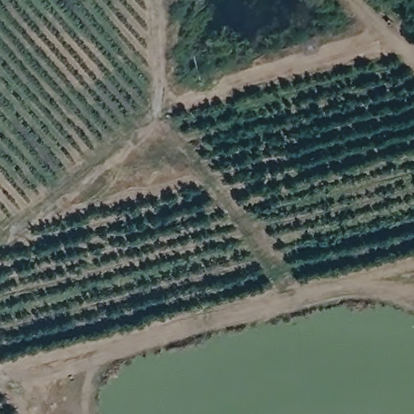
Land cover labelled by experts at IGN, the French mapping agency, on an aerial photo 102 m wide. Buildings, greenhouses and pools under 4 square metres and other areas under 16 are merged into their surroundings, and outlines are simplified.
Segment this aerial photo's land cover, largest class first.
<instances>
[{"label":"deciduous trees","instance_id":"1","mask_svg":"<svg viewBox=\"0 0 414 414\"><path fill-rule=\"evenodd\" d=\"M49 11L58 23L65 27V31L73 37L74 42L86 52L87 57L99 66L103 73L102 79L95 76L94 71L84 63L78 52L60 36L57 27L45 16ZM133 15L121 5L120 0H0V171L21 197L26 196L31 189H37L40 184H44L45 188H53L57 186L58 178L57 173L52 170L63 167L57 154L61 152L73 160L66 147L68 144L76 146V141L66 133L65 128L71 126L84 144L92 149V146L99 147L103 134L112 133L118 126L125 131L146 128L149 123L144 116L152 112L150 76L146 73L149 70V63L115 26L116 21L120 19L126 29L139 40V44L147 47V40L129 24L128 18ZM45 26L49 27L53 36L57 37L60 44L71 53V57L78 61L82 70L89 74L94 84L89 86L78 70H74L70 61L66 60L65 55H61L52 40L40 31ZM32 31L44 40V44L60 58L66 70L78 79L82 86L81 91L74 89L60 68L31 39L29 34ZM81 31L102 52L103 57L112 63L115 70L108 71L102 61L79 39L78 34ZM307 6H315L317 10V19L312 21L309 29L298 32L288 27L285 31L268 36L267 39L264 36H256L249 42L241 32H234L230 27H222V31L210 29L207 24L212 21L213 11L204 8V0H165L163 5L168 8V19L180 21V32L178 42L171 49L165 50V58L175 60L176 84H181L188 91H209L213 81H220L226 74L247 70L252 65L257 58H265L270 52L277 53L278 50L288 49L291 45L302 44L323 32L333 36L344 34L356 18L346 16L340 0H299ZM387 23L391 31L396 34L401 32V36L406 32H414V0H364ZM351 71L348 73L336 74L332 78L317 81L301 82L293 86L298 95L294 99L283 97L285 112L281 115L257 118L254 110L238 112L234 103L222 99L220 105L207 110L192 112L191 108H183L181 115L171 116L170 123L171 129L181 133H189L194 129H199L204 136L218 133L217 139L210 142L213 149L205 150L204 158H209V162H212V170L222 173L223 183H244L243 189L231 191L234 201H244L251 196L264 197V201L246 205L244 209L254 213L259 220L288 217L293 213L332 207L333 197H327L314 204L299 207L293 205L289 209L281 207L277 212L270 209V205L277 202L312 196L315 191L327 188L328 183L335 188L346 183L387 175L391 170L414 171V65H404L399 57L388 65L356 68V65L351 63ZM404 188L403 181L399 180L387 186H378L374 191L340 196L338 202L341 204L362 197L378 196L382 192L398 191ZM181 204L176 202V197L163 201L162 197L155 196L157 202L152 205L155 213H141V207L121 210L126 222H113L99 228H91L89 218H82L79 222H61L58 226H49L37 231L39 239L26 244V251L6 254V259H11L13 265L3 267V273H0V291L16 286L15 280H11L8 273L18 272V278L29 277L31 281L50 280L63 273H81L82 268H86V254L89 252H92L94 265L100 267L112 260L141 256L163 247L180 246L205 236L230 233L234 228L226 225L215 226L210 230V222L223 218L225 213L222 209H215L212 213H205V205L209 204L212 197L201 186L194 184L191 191H181ZM188 226H192L194 233L108 254H103L102 244H94L91 239L92 236L102 238L105 233L121 230L125 231L126 236L110 238L108 243L110 246H123L137 239L175 233ZM404 202L414 204V191L404 197H390L359 209H344L336 215L323 213L312 220H294L293 223L265 228L267 234L272 236L296 231L299 228H312L338 220H348L361 213L385 209L390 205ZM299 247L298 251L289 252L288 256L283 257L293 270L291 275L294 280L307 283L312 278L340 277L344 273L377 267L404 257L414 259V207L391 215L375 217L370 222L340 226L327 233L302 234L301 238L288 243L277 241L273 244V249L277 251H280L281 247ZM251 252L239 251L236 238L225 239L220 243L212 241L202 247H196L194 251L183 254L178 252L171 256L163 254L157 259L144 260L139 265H126L115 268L113 272L91 275L82 280H66L65 283L34 289L29 293L0 301V322L23 319L27 315V309H32V315L42 314L47 310L94 301L95 298L115 296L139 286L155 285L160 281L181 277L184 273L191 275L205 268L226 265V257L233 256L234 262L243 260ZM267 277L260 270V265L252 262L247 267L236 268L233 272L223 275H205L201 281L186 280L181 285L152 289L150 293L133 294L123 301L97 304L95 309L82 310L79 314L45 317L11 330L0 328V361H15L16 357L26 354L65 348L79 341L99 340L113 333L131 332L134 328H142L154 320H163L180 312H188L207 302L220 304L244 298L249 294L262 293L267 289Z\"/></svg>","mask_w":414,"mask_h":414},{"label":"herbaceous vegetation","instance_id":"2","mask_svg":"<svg viewBox=\"0 0 414 414\"><path fill-rule=\"evenodd\" d=\"M45 16L57 27L60 36L78 52L84 63L94 71L95 76L102 79L103 73L99 66L87 57L86 52L74 42L73 37L65 31V27L58 23L49 11ZM364 32V23L356 18L344 34L333 36L323 32L302 44L291 45L288 49L278 50L277 53L270 52L265 58H257L252 65H262L293 53L315 55L322 45L328 42L359 36ZM165 50L171 49L178 42L180 32V21L168 19L165 27ZM40 31L52 40L61 55H65L66 60L70 61L74 70H78L89 86L94 84L89 74L82 70L78 61L71 57V53L60 44L57 37L53 36L49 27L45 26ZM31 39L60 68L74 89L81 91L82 86L78 79L66 70L60 58L44 44V40L32 31L29 34ZM79 39L102 61L108 71L115 70L112 63L103 57L102 52L81 31L78 34ZM175 60L165 58V78L171 91L176 95L188 91L181 84H176ZM298 95L293 86L268 94H254L234 103L238 112L254 110L257 118L281 115L285 112L283 97L294 99ZM149 123L146 128L125 131L118 126L112 133L103 134L99 147L92 146V149L84 144L71 126L65 128L66 133L76 141V146L68 144L66 147L73 160L61 152L57 154L63 167L52 170L57 173L58 178L57 186L53 188H45L44 184H40L37 189H31L26 196L21 197L0 171V273H3V267L13 265L11 259H6V254L26 251V244L39 239L37 231L49 226H58L61 222H79L82 218H89L91 228H99L113 222H126L121 210L141 207V213H155L152 205L157 202L155 196L162 197L163 201L176 197V202L181 204V191H191L194 184L201 186L212 197L209 204L205 205V213H212L215 209H222L225 213L223 218L210 222V230L215 226L226 225L234 228L230 233L205 236L180 246L163 247L141 256L112 260L100 267L94 265L92 252H89L86 254V268H82L81 273H63L50 280L31 281L29 277L18 278V272L8 273L11 280H15L16 286L0 291V301L29 293L34 289L65 283L66 280H82L91 275L113 272L115 268L126 265H139L144 260L157 259L163 254L171 256L178 252L183 254L194 251L196 247H202L212 241L220 243L225 239L236 238L239 251L251 252L243 260L234 262L233 256L226 257V265L205 268L191 275L184 273L181 277L160 281L155 285L139 286L115 296L95 298L94 301L47 310L42 314L32 315V309H27V315L23 319L0 322V328L11 330L45 317L79 314L82 310L95 309L97 304L123 301L133 294L150 293L152 289L181 285L186 280L201 281L205 275H223L233 272L236 268L247 267L252 262L260 265V270L267 277V289L275 286L278 293L285 294L286 288L294 280L291 275L293 270L283 257L288 256L289 252L298 251L299 247H281L280 251H277L273 249V244L277 241L288 243L301 238L302 234L327 233L340 226L370 222L375 217L391 215L414 207V204L404 202L390 205L385 209L361 213L348 220H338L312 228H299L296 231L272 236L267 234L265 228L293 223L294 220H312L323 213L336 215L344 209H359L390 197H404L414 191V171L391 170L387 175L346 183L335 188L328 183L327 188L315 191L312 196L277 202L270 205V209L277 212L281 207L289 209L293 205L299 207L314 204L327 197H333L332 207L293 213L288 217L259 220L254 213L244 209L246 205L264 201V197L251 196L244 201H234L231 191L243 189L244 183H223L222 173L212 170V162H209V158H204L205 150L213 149L210 142L217 139L218 133L204 136L199 129H194L189 133H181L171 129L170 123L163 121L162 116H154L152 112L144 116ZM399 180L403 181L404 188L398 191L382 192L378 196L362 197L341 204L338 202L340 196L374 191L378 186H387ZM194 233L192 226H188L175 233L137 239L123 246H110L108 243L110 238L126 236L125 231L121 230L105 233L102 238L92 236L91 239L94 244H102L103 254H108ZM387 281L414 286V268L387 277ZM86 374L79 372L66 378H58L57 383H53L49 388L47 401L42 403L37 414H81L82 385Z\"/></svg>","mask_w":414,"mask_h":414},{"label":"water","instance_id":"3","mask_svg":"<svg viewBox=\"0 0 414 414\"><path fill-rule=\"evenodd\" d=\"M204 8L213 11L212 21L207 24L210 29L222 31V27H230L234 32H241L249 42L256 36H264L267 39L268 36L285 31L288 27L298 32L309 29L312 21L317 19V10L315 6H307L299 0H204ZM157 348L160 349V354L152 353L147 361L139 359L134 362L129 369L123 370L120 377L113 380L107 390L103 391V414H414V317H406L403 312H399L398 306L393 304L388 310L377 309L367 314H357L343 306L294 317L289 322H281V325H272L268 322L264 325L244 336H222L217 340L210 338L184 348L167 349L165 344Z\"/></svg>","mask_w":414,"mask_h":414},{"label":"pervious surface","instance_id":"4","mask_svg":"<svg viewBox=\"0 0 414 414\"><path fill-rule=\"evenodd\" d=\"M121 5L133 15L128 18L129 24L147 40V47L139 44V40L126 29L120 19L116 21L115 26L149 63V70L146 73L150 76L152 112L154 116H162L163 121L170 123L171 116L181 115L183 108H191L192 112L207 110L220 105L222 99L234 103L254 94H268L293 86L301 82L317 81L332 78L336 74L348 73L351 71V63L356 65V68L388 65L399 57L404 65H414V32H406L401 36V32L396 34L391 31L387 23L364 0H340L346 16L356 18L364 23V32L359 36L328 42L322 45L315 55L293 53L262 65H252L247 70L226 74L220 81H213L209 91H188L176 95L171 91L165 78V27L168 19V8L163 5L165 0H120ZM414 268V259L404 257L377 267L344 273L340 277L312 278L307 283L294 280L286 288L285 294L278 293L275 286L267 289L262 293L249 294L244 298L220 304L207 302L188 312H180L163 320H154L142 328H134L131 332L113 333L99 340L79 341L65 348L26 354L16 357L15 361H0V414H37L42 403L47 401L49 388L53 383H57L58 378H66L79 372L86 374L82 385L81 414H91L89 404L94 395L92 382L95 374L99 372L100 365L107 364L113 359L141 353L144 349L157 348L165 344L238 323L260 320L264 325L268 322L275 315L341 299H382L393 304L398 306L399 312H403L406 317H414V286L387 281V277Z\"/></svg>","mask_w":414,"mask_h":414},{"label":"brushwood","instance_id":"5","mask_svg":"<svg viewBox=\"0 0 414 414\"><path fill-rule=\"evenodd\" d=\"M343 306L357 314H367L377 309L388 310L393 304L382 299H341L275 315L268 322L272 325H281V322H289L294 317ZM264 325L260 320L238 323L165 344L167 349L184 348L210 338L217 340L222 336H244ZM152 353L160 354V349L157 348L144 349L141 353L113 359L107 364L100 365L99 372L95 374L92 382L94 395L89 404L91 414H103V391L107 390L113 380L120 377L123 370L129 369L134 362L139 359L147 361Z\"/></svg>","mask_w":414,"mask_h":414}]
</instances>
